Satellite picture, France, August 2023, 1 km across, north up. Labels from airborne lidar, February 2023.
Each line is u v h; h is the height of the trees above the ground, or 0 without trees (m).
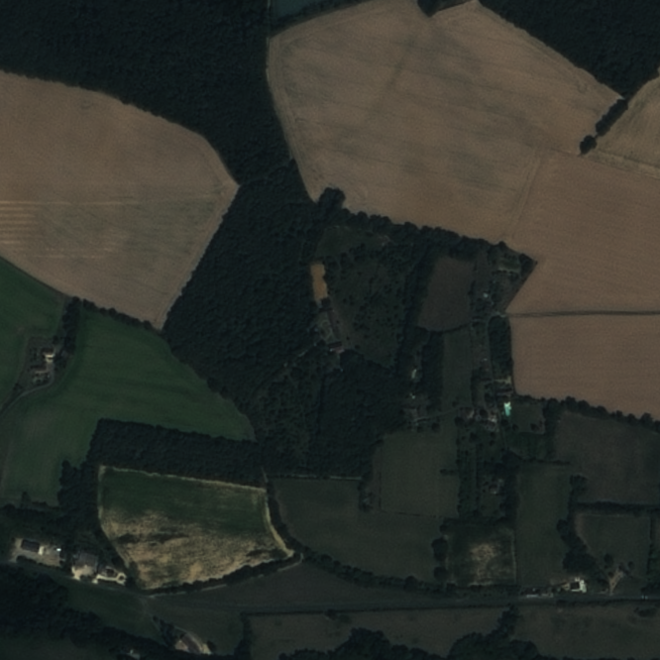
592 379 0
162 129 0
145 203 0
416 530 0
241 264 15
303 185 13
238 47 24
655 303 0
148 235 0
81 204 0
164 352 0
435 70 0
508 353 8
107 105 0
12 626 24
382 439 7
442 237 15
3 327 0
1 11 22
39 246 0
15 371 0
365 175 0
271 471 12
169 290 0
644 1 21
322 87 0
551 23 22
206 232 0
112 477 0
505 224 0
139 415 0
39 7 22
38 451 0
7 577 26
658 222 0
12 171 0
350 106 0
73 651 0
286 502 0
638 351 0
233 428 0
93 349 0
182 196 0
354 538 0
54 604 20
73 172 0
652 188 0
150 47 23
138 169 0
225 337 15
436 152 0
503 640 14
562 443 0
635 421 13
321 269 0
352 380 20
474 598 0
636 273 0
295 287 11
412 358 18
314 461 9
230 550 0
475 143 0
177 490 0
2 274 0
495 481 8
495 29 0
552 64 0
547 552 0
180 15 23
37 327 0
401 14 0
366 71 0
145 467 11
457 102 0
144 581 0
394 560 0
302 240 12
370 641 20
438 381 15
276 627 0
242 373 14
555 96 0
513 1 19
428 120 0
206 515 0
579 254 0
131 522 0
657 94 0
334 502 0
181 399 0
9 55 22
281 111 0
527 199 0
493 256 16
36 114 0
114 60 22
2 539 0
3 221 0
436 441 0
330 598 0
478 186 0
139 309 0
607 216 0
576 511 15
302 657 15
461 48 0
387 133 0
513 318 0
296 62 0
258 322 10
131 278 0
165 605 0
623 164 0
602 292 0
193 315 15
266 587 0
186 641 0
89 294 0
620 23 16
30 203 0
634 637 0
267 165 17
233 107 22
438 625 0
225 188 0
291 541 10
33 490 0
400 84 0
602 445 0
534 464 10
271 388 6
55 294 0
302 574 0
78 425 0
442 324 0
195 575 0
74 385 0
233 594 0
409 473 0
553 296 0
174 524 0
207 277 13
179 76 24
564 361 0
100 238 0
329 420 17
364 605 0
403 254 7
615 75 18
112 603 0
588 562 24
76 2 23
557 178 0
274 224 13
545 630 0
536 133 0
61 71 26
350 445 12
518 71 0
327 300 11
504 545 0
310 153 0
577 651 0
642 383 0
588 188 0
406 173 0
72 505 16
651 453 0
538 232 0
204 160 0
